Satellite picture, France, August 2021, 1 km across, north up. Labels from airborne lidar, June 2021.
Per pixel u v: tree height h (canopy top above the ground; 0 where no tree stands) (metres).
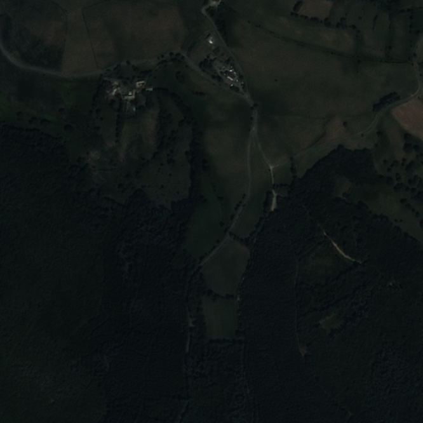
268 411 14
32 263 13
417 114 0
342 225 11
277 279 13
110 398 9
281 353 13
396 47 0
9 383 17
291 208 13
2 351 12
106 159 0
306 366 12
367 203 0
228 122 0
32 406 15
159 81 0
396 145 0
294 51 0
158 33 0
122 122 19
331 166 23
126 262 12
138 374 8
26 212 15
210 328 0
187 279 18
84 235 17
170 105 0
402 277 19
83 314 19
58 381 10
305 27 0
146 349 10
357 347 17
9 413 15
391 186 18
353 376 18
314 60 0
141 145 0
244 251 0
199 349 9
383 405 18
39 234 16
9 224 17
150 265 9
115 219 18
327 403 11
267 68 0
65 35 0
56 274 14
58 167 18
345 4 0
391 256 21
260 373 12
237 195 0
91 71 0
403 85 0
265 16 0
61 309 23
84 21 0
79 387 12
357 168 25
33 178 19
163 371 10
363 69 0
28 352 17
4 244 18
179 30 0
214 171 0
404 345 15
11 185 15
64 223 15
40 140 17
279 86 0
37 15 0
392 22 5
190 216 12
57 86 0
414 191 17
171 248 16
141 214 12
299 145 0
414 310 16
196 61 0
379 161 0
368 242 17
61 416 18
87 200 24
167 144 10
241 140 0
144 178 0
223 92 0
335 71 0
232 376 20
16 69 0
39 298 24
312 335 11
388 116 0
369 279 19
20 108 0
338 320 0
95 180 0
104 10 0
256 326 11
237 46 0
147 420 16
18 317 18
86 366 12
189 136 0
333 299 10
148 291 8
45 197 16
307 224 13
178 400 19
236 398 12
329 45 0
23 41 0
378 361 13
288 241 13
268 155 0
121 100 9
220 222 0
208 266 0
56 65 0
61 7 0
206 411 17
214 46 0
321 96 0
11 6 0
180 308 12
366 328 22
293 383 13
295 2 0
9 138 25
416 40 0
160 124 7
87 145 0
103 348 7
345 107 0
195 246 0
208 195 0
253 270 15
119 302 11
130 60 0
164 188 8
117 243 19
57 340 20
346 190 0
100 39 0
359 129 0
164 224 16
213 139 0
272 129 0
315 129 0
